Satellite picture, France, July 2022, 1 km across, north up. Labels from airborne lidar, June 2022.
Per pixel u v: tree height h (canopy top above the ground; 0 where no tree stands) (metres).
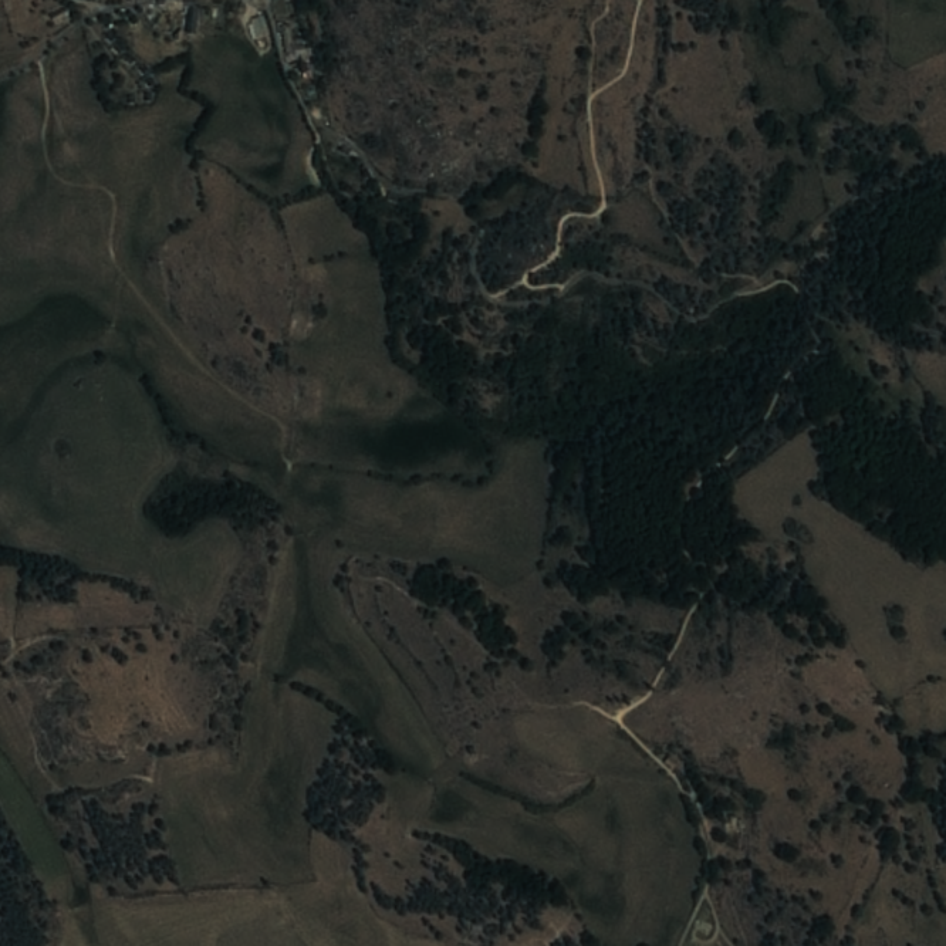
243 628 11
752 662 0
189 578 0
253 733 0
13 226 0
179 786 0
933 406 15
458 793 0
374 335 0
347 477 0
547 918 0
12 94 0
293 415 0
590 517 12
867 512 12
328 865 0
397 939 0
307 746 0
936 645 0
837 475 14
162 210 0
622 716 0
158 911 0
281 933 0
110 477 0
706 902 0
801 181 0
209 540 0
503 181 18
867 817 6
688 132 7
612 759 0
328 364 0
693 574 16
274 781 0
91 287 0
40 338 0
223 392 0
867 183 22
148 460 0
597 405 9
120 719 0
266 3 0
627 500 16
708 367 21
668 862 0
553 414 8
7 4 0
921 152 12
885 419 12
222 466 0
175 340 0
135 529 0
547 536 6
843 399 15
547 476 0
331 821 12
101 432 0
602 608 0
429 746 0
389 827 0
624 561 17
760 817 0
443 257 6
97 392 0
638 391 6
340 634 0
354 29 0
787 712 0
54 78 0
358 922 0
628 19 0
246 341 0
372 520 0
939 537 21
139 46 0
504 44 0
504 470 0
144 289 0
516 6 0
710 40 0
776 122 13
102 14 9
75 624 0
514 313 7
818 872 0
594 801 0
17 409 0
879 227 14
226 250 0
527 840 0
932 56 0
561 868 0
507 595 0
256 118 0
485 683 0
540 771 0
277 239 0
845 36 9
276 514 13
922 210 14
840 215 6
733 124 0
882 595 0
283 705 0
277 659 0
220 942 0
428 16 0
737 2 0
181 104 0
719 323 7
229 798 0
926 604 0
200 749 0
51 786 0
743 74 0
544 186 8
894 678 0
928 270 11
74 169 0
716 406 11
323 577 0
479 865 14
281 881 0
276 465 0
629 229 0
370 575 0
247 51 0
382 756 16
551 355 15
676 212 14
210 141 0
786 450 0
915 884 0
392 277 13
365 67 0
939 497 20
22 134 0
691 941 0
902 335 21
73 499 0
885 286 14
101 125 0
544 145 0
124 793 0
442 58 0
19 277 0
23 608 0
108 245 0
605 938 0
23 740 0
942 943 0
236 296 0
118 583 11
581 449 13
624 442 13
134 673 0
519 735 0
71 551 0
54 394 0
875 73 0
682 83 0
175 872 15
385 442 0
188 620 0
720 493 15
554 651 13
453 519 0
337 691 0
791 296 6
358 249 0
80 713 0
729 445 6
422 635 0
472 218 15
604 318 9
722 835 14
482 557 0
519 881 11
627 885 0
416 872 0
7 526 0
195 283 0
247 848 0
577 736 0
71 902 0
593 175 0
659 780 0
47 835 0
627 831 0
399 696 0
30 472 0
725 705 0
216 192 0
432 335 15
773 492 0
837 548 0
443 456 0
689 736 0
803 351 10
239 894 0
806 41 0
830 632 8
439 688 0
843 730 9
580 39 0
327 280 0
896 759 0
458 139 0
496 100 0
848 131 9
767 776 0
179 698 0
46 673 0
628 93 0
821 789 0
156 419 0
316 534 0
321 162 10
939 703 0
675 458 10
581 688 0
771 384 11
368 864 16
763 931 10
